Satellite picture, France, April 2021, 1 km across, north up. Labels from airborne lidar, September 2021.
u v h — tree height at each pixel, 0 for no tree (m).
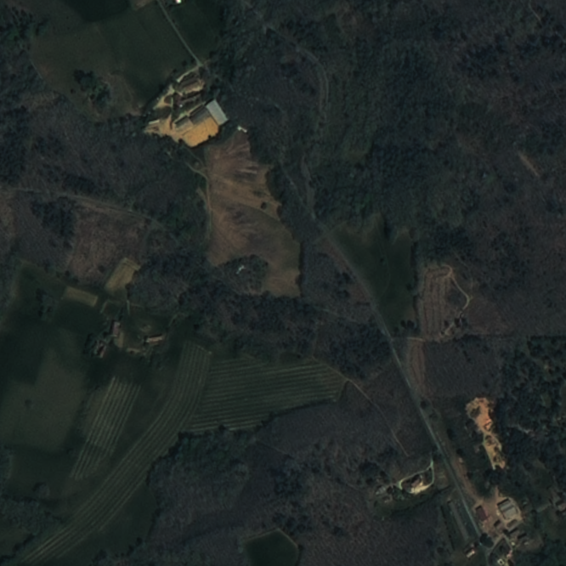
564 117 13
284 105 19
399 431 15
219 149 0
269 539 0
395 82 21
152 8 0
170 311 13
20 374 0
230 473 24
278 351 19
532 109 7
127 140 14
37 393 0
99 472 0
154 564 12
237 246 0
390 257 0
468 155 13
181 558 22
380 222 0
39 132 13
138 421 0
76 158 15
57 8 0
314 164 23
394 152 16
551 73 10
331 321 13
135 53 0
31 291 0
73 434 0
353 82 14
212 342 0
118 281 0
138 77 0
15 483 0
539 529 16
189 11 0
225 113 12
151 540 8
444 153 16
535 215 8
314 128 20
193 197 8
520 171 12
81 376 0
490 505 0
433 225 14
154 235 5
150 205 13
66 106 17
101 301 0
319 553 12
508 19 18
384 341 26
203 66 0
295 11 18
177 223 19
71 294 0
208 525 12
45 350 0
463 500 0
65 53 0
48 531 21
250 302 22
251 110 19
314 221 17
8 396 0
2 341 0
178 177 12
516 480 15
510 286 7
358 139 22
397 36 18
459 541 0
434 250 12
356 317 17
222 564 18
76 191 16
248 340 19
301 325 17
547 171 8
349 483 10
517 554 10
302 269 17
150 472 7
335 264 18
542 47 8
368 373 18
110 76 0
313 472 10
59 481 0
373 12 15
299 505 14
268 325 27
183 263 24
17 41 18
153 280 21
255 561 0
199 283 16
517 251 6
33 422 0
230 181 0
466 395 8
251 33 17
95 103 7
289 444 16
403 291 0
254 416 6
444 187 18
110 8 0
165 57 0
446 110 17
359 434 17
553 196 18
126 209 17
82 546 0
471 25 13
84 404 9
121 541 0
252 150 6
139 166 17
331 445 10
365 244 0
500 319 6
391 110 15
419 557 13
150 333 0
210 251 0
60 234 12
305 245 20
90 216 8
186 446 14
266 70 14
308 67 17
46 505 0
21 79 7
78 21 0
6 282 21
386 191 22
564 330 8
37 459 0
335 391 0
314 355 11
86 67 0
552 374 13
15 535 0
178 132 0
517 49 8
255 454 12
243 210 0
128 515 0
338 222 11
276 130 23
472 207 12
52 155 11
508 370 15
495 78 26
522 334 10
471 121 15
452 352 10
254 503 10
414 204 18
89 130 22
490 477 17
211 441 20
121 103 0
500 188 13
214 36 0
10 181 22
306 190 17
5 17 13
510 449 16
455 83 21
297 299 9
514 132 11
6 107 13
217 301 24
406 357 17
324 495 10
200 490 17
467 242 15
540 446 18
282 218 20
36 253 18
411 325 0
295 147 19
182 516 17
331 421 17
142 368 0
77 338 0
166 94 10
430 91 20
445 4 15
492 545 16
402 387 9
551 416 14
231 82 13
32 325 0
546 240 8
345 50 13
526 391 16
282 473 12
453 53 15
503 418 18
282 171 15
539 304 10
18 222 16
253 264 13
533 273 8
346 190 26
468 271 10
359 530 11
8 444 0
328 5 18
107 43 0
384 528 10
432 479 10
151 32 0
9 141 26
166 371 0
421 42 20
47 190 14
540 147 11
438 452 16
